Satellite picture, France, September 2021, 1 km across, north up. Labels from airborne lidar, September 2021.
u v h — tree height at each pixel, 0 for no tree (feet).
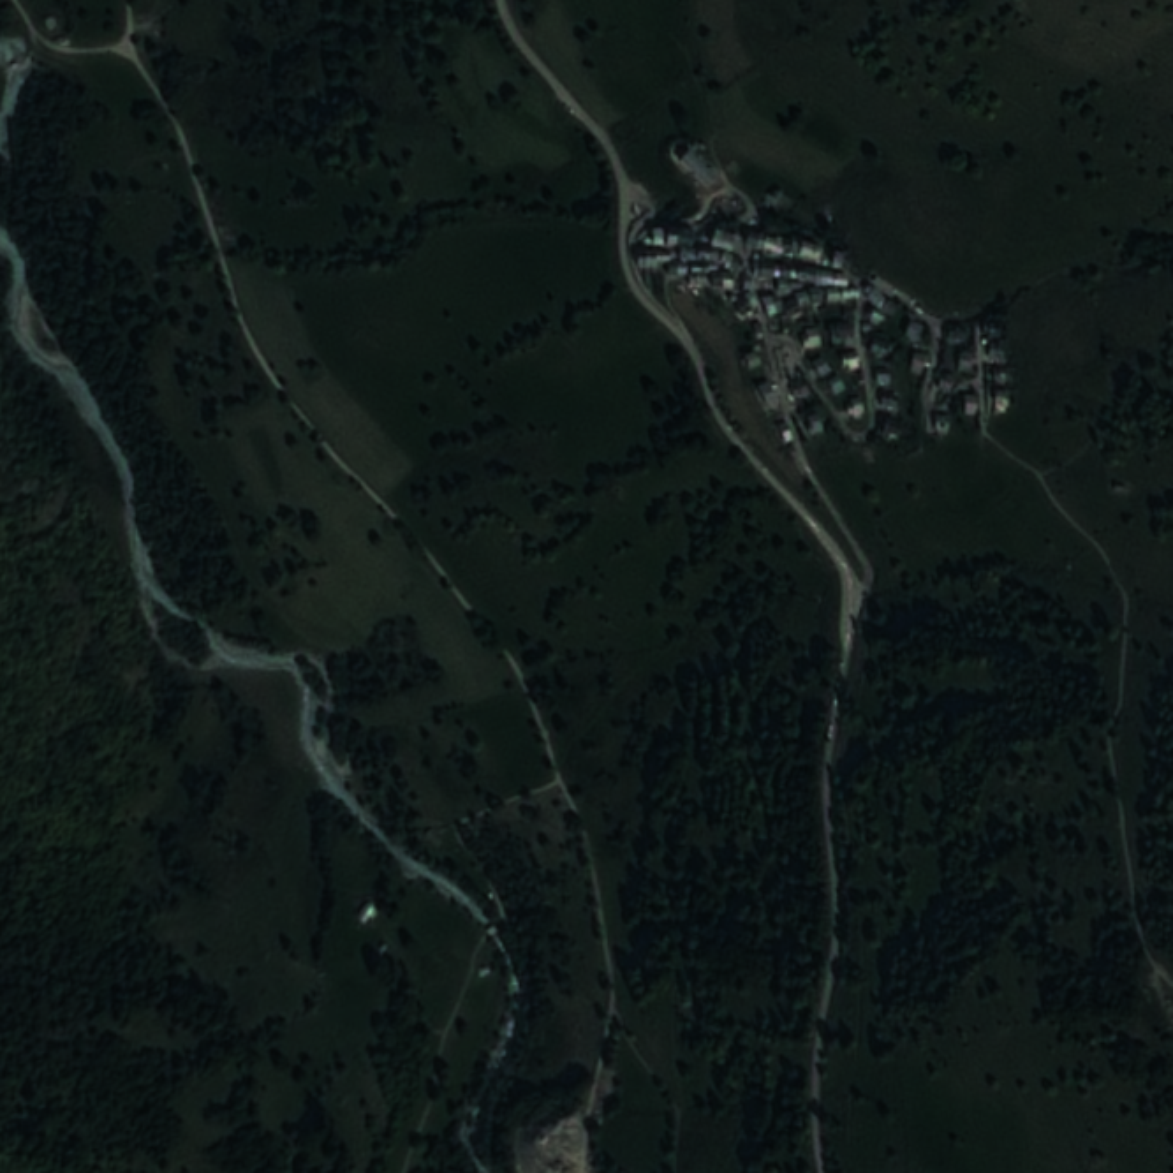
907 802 35
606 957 0
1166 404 27
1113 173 0
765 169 0
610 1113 34
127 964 47
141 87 0
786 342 0
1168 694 36
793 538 0
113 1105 51
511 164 0
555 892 47
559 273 0
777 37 0
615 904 0
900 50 0
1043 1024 29
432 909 0
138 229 0
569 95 0
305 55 35
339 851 0
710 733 31
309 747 0
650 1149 0
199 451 0
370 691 40
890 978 53
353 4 29
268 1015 0
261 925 0
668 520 44
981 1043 0
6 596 39
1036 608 29
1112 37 0
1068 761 0
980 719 54
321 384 0
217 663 0
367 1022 0
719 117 0
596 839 0
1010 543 0
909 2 0
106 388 29
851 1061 0
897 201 0
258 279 0
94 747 50
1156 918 28
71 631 27
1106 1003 36
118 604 35
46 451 35
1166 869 18
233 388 0
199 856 0
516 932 45
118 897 42
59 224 34
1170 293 0
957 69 0
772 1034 23
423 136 0
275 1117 0
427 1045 48
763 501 32
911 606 0
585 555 0
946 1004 46
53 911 55
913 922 35
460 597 0
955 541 0
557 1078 0
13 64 0
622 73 0
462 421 0
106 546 40
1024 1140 0
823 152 0
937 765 30
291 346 0
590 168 0
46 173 38
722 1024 25
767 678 25
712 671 0
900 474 0
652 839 29
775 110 0
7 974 33
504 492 0
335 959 0
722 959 72
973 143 0
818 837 45
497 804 25
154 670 29
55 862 60
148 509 46
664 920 27
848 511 0
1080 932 0
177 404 0
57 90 41
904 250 0
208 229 0
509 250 0
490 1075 37
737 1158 0
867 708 0
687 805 39
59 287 45
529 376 0
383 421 0
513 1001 21
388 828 61
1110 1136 0
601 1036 0
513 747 0
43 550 35
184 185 0
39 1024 46
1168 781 53
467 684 0
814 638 0
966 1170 0
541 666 37
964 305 0
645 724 21
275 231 0
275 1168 35
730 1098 42
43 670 22
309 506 0
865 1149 0
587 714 0
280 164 0
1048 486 0
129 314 55
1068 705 35
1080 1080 31
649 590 0
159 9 0
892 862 0
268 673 0
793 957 57
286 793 0
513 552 0
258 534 28
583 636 0
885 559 0
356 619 0
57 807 57
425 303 0
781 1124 45
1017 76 0
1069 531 0
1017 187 0
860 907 39
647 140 0
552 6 0
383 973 60
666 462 37
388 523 0
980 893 36
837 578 0
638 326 0
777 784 39
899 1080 0
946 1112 0
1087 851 53
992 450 0
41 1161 53
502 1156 33
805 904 53
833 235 52
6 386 38
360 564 0
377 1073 27
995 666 23
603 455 0
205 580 51
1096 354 0
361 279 0
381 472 0
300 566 27
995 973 0
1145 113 0
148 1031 0
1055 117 0
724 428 0
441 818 0
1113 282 0
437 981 0
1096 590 0
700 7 0
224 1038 36
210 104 0
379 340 0
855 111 0
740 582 42
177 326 48
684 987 41
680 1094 0
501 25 31
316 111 27
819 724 51
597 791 0
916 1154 0
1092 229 0
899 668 53
